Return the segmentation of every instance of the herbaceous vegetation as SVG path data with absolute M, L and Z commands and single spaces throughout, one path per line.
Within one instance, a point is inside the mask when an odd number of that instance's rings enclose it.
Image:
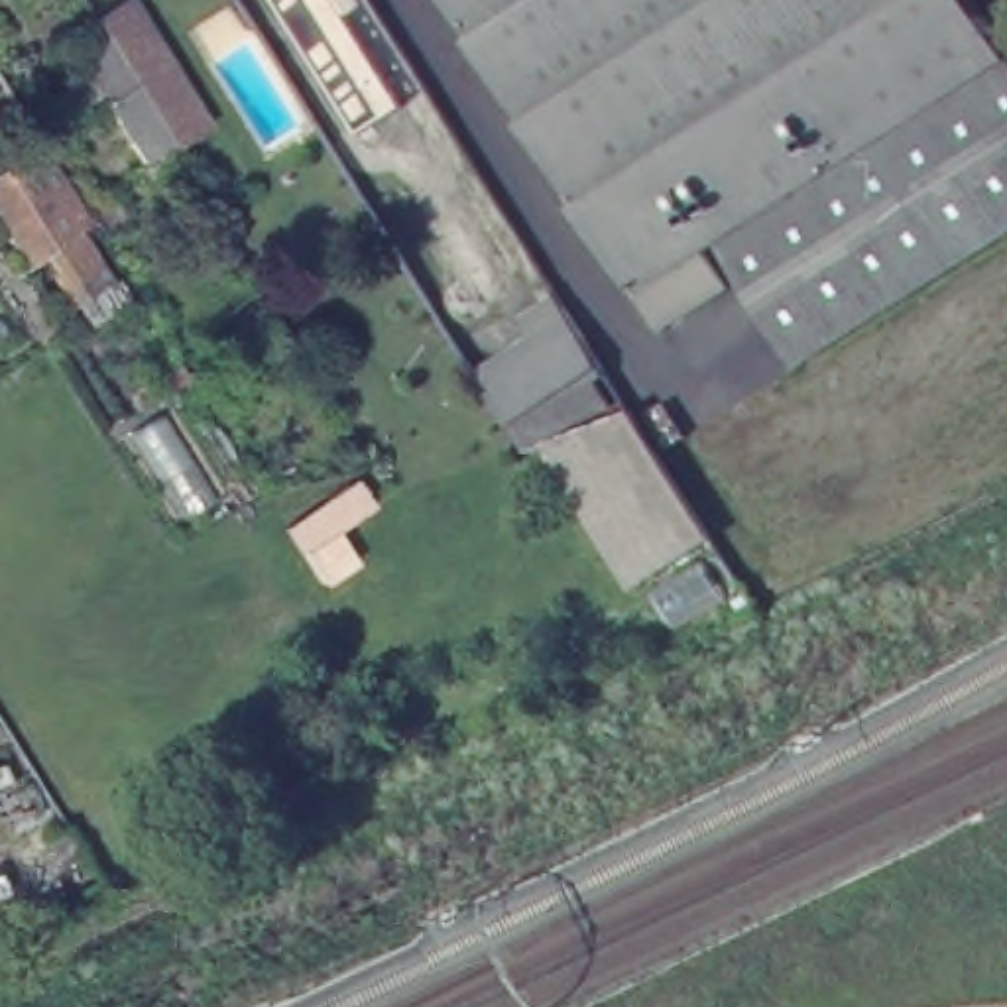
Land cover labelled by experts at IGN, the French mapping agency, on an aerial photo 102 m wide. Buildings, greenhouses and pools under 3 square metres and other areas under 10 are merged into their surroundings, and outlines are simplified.
M 126 287 L 126 295 L 134 303 L 157 307 L 173 330 L 189 319 L 220 315 L 236 299 L 252 299 L 256 275 L 240 256 L 228 256 L 220 267 L 165 256 L 157 264 L 142 264 L 130 256 L 126 264 L 118 264 L 118 220 L 106 216 L 114 197 L 102 193 L 94 181 L 75 185 L 87 208 L 90 244 L 102 256 L 110 279 Z
M 625 700 L 610 700 L 602 692 L 590 712 L 578 712 L 570 704 L 555 720 L 535 720 L 519 708 L 515 716 L 507 716 L 507 728 L 492 740 L 464 740 L 448 755 L 405 759 L 382 771 L 370 822 L 342 834 L 330 850 L 315 854 L 303 869 L 295 869 L 295 877 L 267 885 L 244 909 L 212 913 L 189 905 L 169 909 L 157 901 L 126 909 L 122 917 L 106 920 L 94 940 L 83 940 L 75 948 L 83 964 L 94 964 L 90 979 L 75 968 L 67 979 L 39 987 L 35 999 L 16 1007 L 252 1007 L 299 995 L 299 983 L 307 979 L 323 979 L 354 960 L 370 960 L 417 940 L 425 909 L 460 913 L 476 905 L 480 893 L 500 893 L 504 905 L 511 905 L 519 881 L 535 877 L 539 869 L 574 865 L 614 830 L 669 806 L 688 806 L 692 795 L 700 795 L 704 787 L 732 779 L 736 771 L 759 759 L 779 759 L 791 736 L 818 736 L 822 728 L 854 720 L 861 708 L 897 692 L 901 684 L 932 677 L 944 661 L 956 661 L 956 653 L 972 649 L 976 657 L 995 649 L 999 641 L 1007 645 L 1007 236 L 964 256 L 944 275 L 917 287 L 909 299 L 893 303 L 877 319 L 830 342 L 822 354 L 787 370 L 767 389 L 751 393 L 743 405 L 704 425 L 696 437 L 677 433 L 677 441 L 657 460 L 704 531 L 704 539 L 692 547 L 692 559 L 704 570 L 704 578 L 724 590 L 720 602 L 732 610 L 743 610 L 747 602 L 755 610 L 771 610 L 771 645 L 763 653 L 732 665 L 712 665 L 700 681 L 692 677 L 692 669 L 681 665 L 665 681 L 625 684 Z
M 51 28 L 75 16 L 83 4 L 83 0 L 0 0 L 0 4 L 12 4 L 20 12 L 20 31 L 28 43 L 47 43 Z
M 114 122 L 106 130 L 90 126 L 98 165 L 122 173 L 134 157 L 134 149 L 118 138 Z
M 63 799 L 75 810 L 83 810 L 106 838 L 110 783 L 102 783 L 98 775 L 110 767 L 114 751 L 130 747 L 138 759 L 153 759 L 173 740 L 189 736 L 189 724 L 212 724 L 228 704 L 256 696 L 267 677 L 264 649 L 271 649 L 299 622 L 311 622 L 326 610 L 358 614 L 358 649 L 366 657 L 382 657 L 393 645 L 448 645 L 452 637 L 476 637 L 480 629 L 496 629 L 507 618 L 527 614 L 539 614 L 543 622 L 563 618 L 566 590 L 582 590 L 586 602 L 602 610 L 610 622 L 657 622 L 657 594 L 645 582 L 618 586 L 594 543 L 586 539 L 578 515 L 559 531 L 519 539 L 515 519 L 527 519 L 527 511 L 515 507 L 515 476 L 507 456 L 511 452 L 496 437 L 488 409 L 476 397 L 484 393 L 484 350 L 476 342 L 492 326 L 500 326 L 500 307 L 492 303 L 484 315 L 468 315 L 464 323 L 448 311 L 429 252 L 433 205 L 413 197 L 397 173 L 362 169 L 338 122 L 319 98 L 315 83 L 307 79 L 303 63 L 275 31 L 264 0 L 136 0 L 153 31 L 161 35 L 161 43 L 169 47 L 181 75 L 189 79 L 201 106 L 216 118 L 212 142 L 220 153 L 232 157 L 236 169 L 267 169 L 275 181 L 267 197 L 252 205 L 252 260 L 264 256 L 264 244 L 275 228 L 287 228 L 291 260 L 319 283 L 323 303 L 315 307 L 323 311 L 326 330 L 342 334 L 350 350 L 370 350 L 370 362 L 354 374 L 350 389 L 362 393 L 362 421 L 397 448 L 405 472 L 405 484 L 389 488 L 378 504 L 378 511 L 366 523 L 358 523 L 366 551 L 358 555 L 358 574 L 350 574 L 338 586 L 319 582 L 307 559 L 299 555 L 291 531 L 346 488 L 332 480 L 283 496 L 252 496 L 248 484 L 240 484 L 240 456 L 224 429 L 193 421 L 185 429 L 228 504 L 212 515 L 201 511 L 177 519 L 165 511 L 169 484 L 149 468 L 149 460 L 138 448 L 118 441 L 114 425 L 94 421 L 83 393 L 71 382 L 67 362 L 55 334 L 47 346 L 35 350 L 24 370 L 0 378 L 0 771 L 12 771 L 12 779 L 24 791 L 47 787 L 55 779 Z M 303 110 L 311 118 L 311 134 L 275 153 L 264 153 L 252 142 L 236 106 L 208 75 L 208 67 L 193 35 L 208 16 L 236 12 L 264 39 L 267 55 L 275 59 L 279 75 L 287 79 Z M 362 212 L 362 197 L 411 275 L 393 275 L 382 283 L 370 271 L 362 279 L 323 275 L 326 236 L 338 216 Z
M 688 956 L 677 956 L 669 968 L 622 983 L 610 995 L 598 995 L 578 1007 L 1007 1007 L 1007 814 L 983 818 L 976 826 L 956 822 L 936 846 L 889 858 L 885 865 L 873 865 L 842 881 L 838 889 L 799 901 L 779 917 L 763 917 L 743 936 L 704 944 Z
M 539 267 L 531 264 L 527 271 L 515 271 L 511 295 L 523 307 L 535 307 L 535 299 L 543 299 L 547 291 Z
M 47 138 L 67 138 L 94 98 L 94 87 L 71 83 L 63 71 L 51 67 L 31 87 L 12 90 L 31 130 Z

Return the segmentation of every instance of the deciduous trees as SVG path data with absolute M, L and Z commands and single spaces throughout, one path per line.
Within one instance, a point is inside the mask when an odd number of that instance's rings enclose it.
M 507 456 L 515 476 L 515 507 L 527 511 L 527 519 L 515 519 L 519 539 L 559 531 L 578 515 L 582 500 L 566 484 L 563 464 L 547 464 L 535 452 L 511 452 Z
M 244 909 L 267 885 L 295 877 L 295 869 L 303 869 L 315 854 L 330 850 L 342 834 L 370 822 L 382 771 L 405 759 L 448 755 L 464 740 L 492 740 L 507 728 L 507 716 L 515 716 L 519 708 L 535 720 L 555 720 L 570 704 L 578 712 L 590 712 L 602 692 L 610 700 L 625 700 L 625 684 L 665 681 L 681 665 L 692 669 L 692 677 L 700 681 L 712 665 L 732 665 L 763 653 L 771 645 L 771 610 L 755 610 L 747 602 L 743 610 L 732 610 L 720 602 L 673 629 L 657 622 L 610 622 L 602 610 L 586 602 L 582 590 L 566 590 L 563 618 L 543 622 L 539 614 L 527 614 L 507 618 L 496 629 L 480 629 L 476 637 L 452 637 L 448 645 L 393 645 L 382 657 L 366 657 L 358 649 L 358 614 L 326 610 L 311 622 L 299 622 L 271 649 L 264 649 L 267 677 L 256 696 L 228 704 L 212 724 L 189 724 L 189 736 L 173 740 L 153 759 L 138 759 L 130 747 L 114 751 L 110 767 L 98 775 L 102 783 L 110 783 L 106 838 L 83 810 L 75 810 L 63 799 L 55 779 L 47 787 L 55 795 L 55 818 L 47 822 L 43 838 L 79 842 L 79 850 L 71 854 L 71 869 L 87 885 L 83 905 L 24 905 L 16 893 L 0 901 L 0 1007 L 16 1007 L 35 999 L 39 987 L 67 979 L 75 968 L 90 979 L 94 964 L 83 964 L 75 948 L 83 940 L 94 940 L 106 920 L 122 917 L 126 909 L 157 901 L 169 909 L 189 905 L 212 913 Z
M 323 303 L 319 283 L 291 260 L 287 228 L 275 228 L 264 244 L 264 256 L 252 260 L 252 205 L 267 197 L 275 181 L 267 169 L 236 169 L 232 157 L 220 153 L 212 142 L 177 149 L 165 161 L 165 173 L 157 177 L 146 177 L 142 161 L 134 157 L 122 173 L 98 165 L 90 126 L 106 130 L 114 122 L 110 106 L 94 98 L 67 138 L 47 138 L 31 130 L 12 90 L 31 87 L 51 67 L 63 71 L 71 83 L 94 87 L 106 55 L 106 24 L 98 24 L 94 12 L 83 4 L 75 16 L 51 28 L 47 43 L 28 43 L 20 31 L 20 12 L 12 4 L 0 4 L 0 173 L 16 173 L 28 181 L 63 169 L 63 177 L 75 185 L 94 181 L 102 193 L 114 197 L 106 216 L 118 220 L 118 264 L 126 264 L 130 256 L 142 264 L 157 264 L 165 256 L 220 267 L 228 256 L 240 256 L 256 275 L 252 299 L 236 299 L 220 315 L 189 319 L 173 330 L 157 307 L 134 303 L 126 295 L 110 323 L 94 326 L 75 307 L 75 299 L 55 283 L 51 267 L 31 264 L 24 248 L 12 244 L 12 228 L 0 212 L 0 252 L 8 256 L 8 267 L 39 291 L 43 319 L 47 326 L 55 326 L 55 334 L 67 362 L 75 366 L 79 358 L 106 350 L 146 350 L 142 366 L 114 366 L 110 374 L 126 385 L 134 401 L 173 409 L 185 429 L 193 421 L 224 429 L 240 456 L 240 484 L 248 484 L 252 496 L 283 496 L 332 480 L 346 488 L 362 484 L 378 504 L 389 488 L 405 484 L 405 472 L 397 448 L 362 421 L 362 393 L 350 389 L 354 374 L 370 362 L 370 350 L 350 350 L 342 334 L 326 330 L 323 311 L 315 307 Z
M 382 283 L 393 275 L 411 275 L 362 197 L 362 212 L 338 216 L 326 236 L 323 275 L 362 279 L 370 271 Z
M 964 16 L 976 24 L 979 39 L 999 59 L 1007 59 L 1007 0 L 956 0 Z

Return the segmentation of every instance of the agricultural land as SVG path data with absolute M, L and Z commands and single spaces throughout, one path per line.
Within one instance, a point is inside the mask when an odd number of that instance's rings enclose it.
M 149 468 L 169 484 L 165 511 L 177 519 L 201 511 L 212 515 L 228 504 L 185 429 L 173 409 L 134 401 L 134 413 L 114 425 L 118 441 L 138 448 L 149 460 Z

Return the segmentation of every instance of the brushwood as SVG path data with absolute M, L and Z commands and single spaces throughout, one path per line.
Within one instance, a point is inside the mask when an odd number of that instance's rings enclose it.
M 47 346 L 31 338 L 28 323 L 16 311 L 0 311 L 0 378 L 24 370 L 35 350 Z
M 126 385 L 110 374 L 114 366 L 142 366 L 146 350 L 106 350 L 79 358 L 75 366 L 67 362 L 71 382 L 83 393 L 94 421 L 114 425 L 134 413 L 134 401 Z

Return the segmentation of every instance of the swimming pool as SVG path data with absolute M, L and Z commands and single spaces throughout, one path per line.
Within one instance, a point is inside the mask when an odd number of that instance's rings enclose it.
M 311 134 L 311 118 L 303 110 L 287 118 L 279 110 L 275 94 L 267 90 L 264 75 L 248 55 L 232 55 L 228 63 L 208 67 L 208 75 L 236 106 L 252 142 L 264 153 L 275 153 Z

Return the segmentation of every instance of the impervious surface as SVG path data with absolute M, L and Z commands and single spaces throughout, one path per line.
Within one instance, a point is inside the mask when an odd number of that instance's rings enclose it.
M 236 12 L 208 16 L 193 35 L 208 67 L 228 63 L 232 55 L 248 55 L 264 75 L 267 90 L 275 94 L 279 110 L 287 118 L 303 110 L 287 79 L 279 75 L 275 59 L 267 55 L 264 39 Z
M 433 0 L 370 0 L 389 35 L 397 39 L 397 47 L 405 51 L 405 59 L 413 63 L 425 94 L 437 106 L 448 134 L 456 138 L 464 161 L 484 181 L 488 197 L 527 248 L 531 264 L 539 267 L 547 291 L 574 326 L 590 366 L 598 370 L 598 397 L 614 413 L 625 413 L 633 421 L 637 437 L 657 460 L 677 441 L 677 433 L 696 437 L 704 425 L 743 405 L 751 393 L 767 389 L 787 370 L 763 338 L 763 330 L 755 326 L 755 319 L 740 307 L 736 283 L 716 287 L 716 295 L 688 307 L 669 326 L 645 326 L 637 307 L 629 303 L 641 291 L 637 279 L 614 283 L 590 256 L 590 248 L 574 236 L 559 208 L 555 185 L 511 134 L 504 106 L 468 67 L 448 20 Z

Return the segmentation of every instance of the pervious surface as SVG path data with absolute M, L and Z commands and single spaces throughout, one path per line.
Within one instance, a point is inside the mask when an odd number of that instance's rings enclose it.
M 456 138 L 448 134 L 437 106 L 425 94 L 413 102 L 393 102 L 382 114 L 378 130 L 354 130 L 346 118 L 338 122 L 362 169 L 397 173 L 413 197 L 433 205 L 429 252 L 448 311 L 464 323 L 468 315 L 484 315 L 492 303 L 511 295 L 515 271 L 527 271 L 531 264 L 527 248 L 488 197 L 484 181 L 464 161 Z
M 47 346 L 55 334 L 55 326 L 47 326 L 43 319 L 39 291 L 8 267 L 8 256 L 0 252 L 0 311 L 16 311 L 28 323 L 31 338 Z
M 79 850 L 79 842 L 43 838 L 47 822 L 55 818 L 55 795 L 47 787 L 24 791 L 12 779 L 12 771 L 0 771 L 0 901 L 16 893 L 24 905 L 83 905 L 87 885 L 71 869 L 71 854 Z
M 535 877 L 519 881 L 511 905 L 504 905 L 500 893 L 480 893 L 476 905 L 460 913 L 425 909 L 417 940 L 370 960 L 354 960 L 323 979 L 307 979 L 299 983 L 299 995 L 252 1007 L 578 1007 L 598 995 L 610 995 L 622 983 L 669 968 L 677 956 L 688 956 L 704 944 L 743 936 L 763 917 L 779 917 L 799 901 L 838 889 L 842 881 L 873 865 L 885 865 L 889 858 L 936 846 L 956 822 L 976 826 L 983 818 L 1007 814 L 1007 645 L 999 641 L 995 649 L 976 657 L 972 649 L 956 653 L 956 661 L 944 661 L 932 677 L 901 684 L 897 692 L 861 708 L 854 720 L 822 728 L 818 736 L 791 736 L 779 759 L 759 759 L 736 771 L 732 779 L 704 787 L 700 795 L 692 795 L 688 806 L 669 806 L 614 830 L 574 865 L 539 869 Z

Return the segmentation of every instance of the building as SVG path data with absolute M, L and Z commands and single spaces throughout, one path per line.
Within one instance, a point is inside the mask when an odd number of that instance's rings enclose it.
M 165 161 L 177 149 L 212 142 L 216 118 L 201 106 L 189 79 L 181 75 L 169 47 L 161 43 L 161 35 L 153 31 L 136 0 L 83 0 L 83 4 L 94 12 L 98 24 L 106 24 L 106 55 L 94 87 L 94 98 L 110 106 L 114 122 L 118 138 L 134 149 L 134 157 L 142 161 L 146 177 L 157 177 L 165 173 Z
M 358 523 L 366 523 L 378 511 L 378 504 L 362 484 L 346 488 L 291 531 L 299 555 L 307 559 L 319 582 L 338 586 L 350 574 L 358 574 L 358 555 L 366 551 Z
M 405 59 L 405 51 L 397 47 L 397 39 L 389 35 L 370 0 L 264 0 L 275 31 L 303 63 L 307 79 L 315 83 L 319 98 L 338 122 L 346 118 L 354 130 L 378 130 L 382 114 L 393 102 L 413 102 L 425 94 L 413 63 Z
M 657 460 L 637 437 L 633 421 L 625 413 L 614 413 L 598 397 L 598 370 L 590 366 L 574 326 L 547 291 L 543 299 L 535 299 L 535 307 L 523 307 L 511 295 L 492 303 L 500 307 L 500 326 L 492 326 L 476 342 L 484 350 L 484 393 L 476 397 L 488 409 L 496 437 L 511 452 L 535 452 L 547 464 L 563 464 L 566 484 L 582 500 L 578 515 L 586 539 L 594 543 L 618 586 L 645 582 L 657 594 L 657 622 L 673 629 L 720 602 L 724 590 L 704 578 L 704 570 L 692 559 L 692 547 L 704 539 L 704 531 Z
M 16 173 L 0 173 L 0 212 L 12 228 L 12 244 L 24 248 L 31 264 L 51 267 L 55 283 L 75 299 L 75 307 L 94 326 L 110 323 L 126 295 L 126 287 L 110 279 L 102 256 L 90 244 L 87 208 L 75 185 L 63 177 L 63 169 L 28 181 Z
M 976 24 L 964 16 L 956 0 L 433 0 L 448 20 L 468 67 L 504 106 L 511 134 L 555 185 L 559 208 L 574 236 L 590 248 L 590 256 L 614 283 L 637 279 L 641 291 L 629 303 L 637 307 L 645 326 L 669 326 L 688 307 L 716 295 L 716 287 L 736 283 L 740 307 L 755 319 L 755 326 L 763 330 L 763 338 L 787 370 L 822 354 L 830 342 L 877 319 L 893 303 L 909 299 L 917 287 L 944 275 L 964 256 L 1007 236 L 1007 59 L 999 59 L 979 39 Z

